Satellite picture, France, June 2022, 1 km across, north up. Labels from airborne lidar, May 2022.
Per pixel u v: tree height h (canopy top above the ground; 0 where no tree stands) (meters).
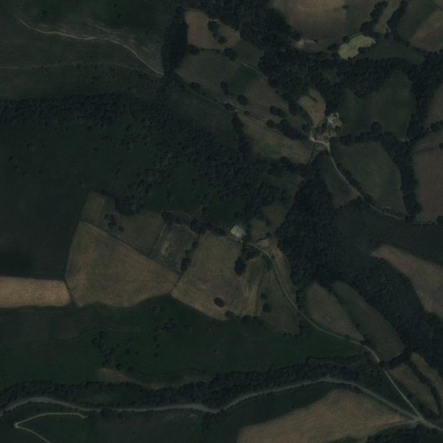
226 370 0
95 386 17
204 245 0
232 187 12
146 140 10
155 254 0
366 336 11
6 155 0
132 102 10
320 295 0
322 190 10
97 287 0
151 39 0
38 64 0
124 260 0
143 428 0
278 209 0
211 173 18
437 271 0
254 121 0
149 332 0
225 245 0
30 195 0
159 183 11
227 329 0
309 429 0
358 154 0
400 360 15
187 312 0
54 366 0
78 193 0
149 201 0
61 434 0
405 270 0
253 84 0
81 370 0
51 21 0
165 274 0
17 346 0
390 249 0
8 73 0
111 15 0
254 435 0
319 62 16
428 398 0
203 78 0
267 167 20
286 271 0
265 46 28
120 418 10
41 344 0
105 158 0
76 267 0
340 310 0
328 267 15
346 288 0
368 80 16
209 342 0
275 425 0
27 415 0
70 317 0
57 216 0
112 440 0
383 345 0
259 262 0
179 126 23
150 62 0
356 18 0
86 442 0
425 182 0
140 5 0
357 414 0
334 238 7
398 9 7
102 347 15
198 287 0
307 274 11
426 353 23
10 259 0
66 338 0
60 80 0
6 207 0
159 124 15
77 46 0
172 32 16
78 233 0
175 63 19
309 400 0
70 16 0
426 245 0
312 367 16
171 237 0
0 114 14
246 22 24
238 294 0
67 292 0
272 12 20
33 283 0
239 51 0
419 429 18
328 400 0
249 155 23
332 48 14
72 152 0
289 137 20
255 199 13
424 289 0
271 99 0
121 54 0
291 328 0
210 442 0
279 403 0
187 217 0
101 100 16
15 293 0
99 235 0
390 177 0
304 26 0
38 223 0
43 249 0
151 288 0
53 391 7
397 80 0
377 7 12
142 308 0
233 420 0
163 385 0
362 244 0
